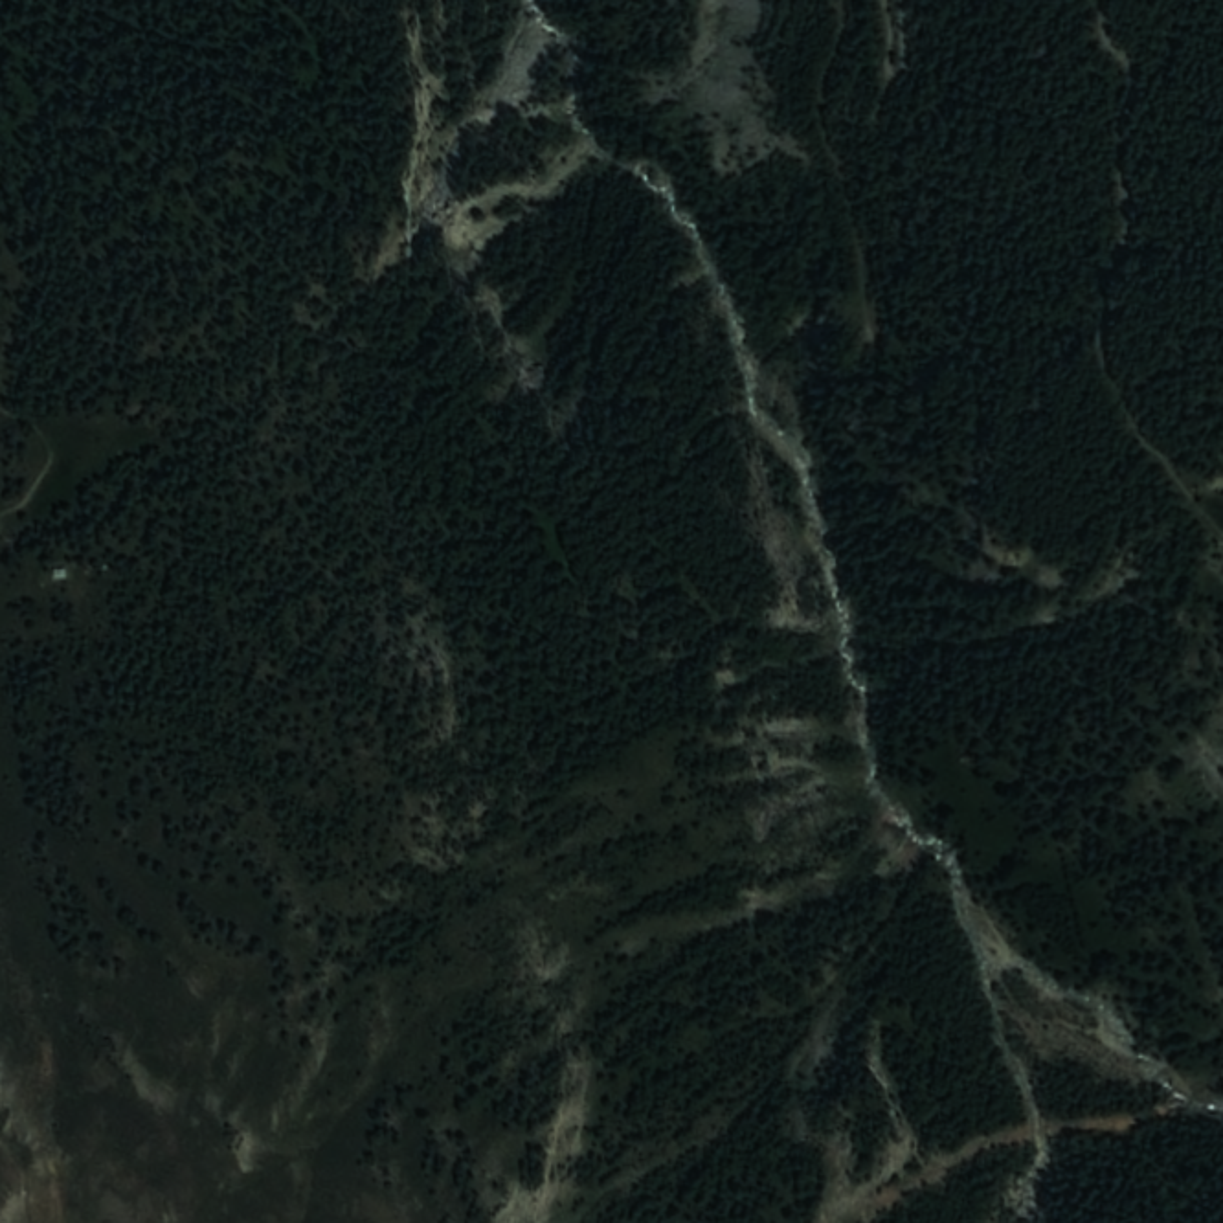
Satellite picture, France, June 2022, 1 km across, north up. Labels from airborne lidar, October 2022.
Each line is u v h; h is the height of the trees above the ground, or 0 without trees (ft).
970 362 51
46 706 42
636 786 0
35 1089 0
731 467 61
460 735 36
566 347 54
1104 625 57
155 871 26
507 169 74
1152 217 77
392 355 77
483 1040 60
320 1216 0
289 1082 0
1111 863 39
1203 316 47
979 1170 37
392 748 35
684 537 67
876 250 30
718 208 58
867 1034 32
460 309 42
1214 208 85
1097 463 84
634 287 87
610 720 71
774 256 86
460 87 92
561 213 68
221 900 0
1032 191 42
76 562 26
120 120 82
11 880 0
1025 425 44
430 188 38
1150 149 35
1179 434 68
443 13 23
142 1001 0
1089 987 52
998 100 77
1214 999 0
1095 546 62
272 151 83
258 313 74
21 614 27
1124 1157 26
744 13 0
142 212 66
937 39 74
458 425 85
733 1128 25
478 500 94
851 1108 46
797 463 0
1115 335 65
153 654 47
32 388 72
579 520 82
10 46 93
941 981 85
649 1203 64
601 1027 45
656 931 0
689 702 73
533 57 0
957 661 84
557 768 37
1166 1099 26
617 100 40
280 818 36
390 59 63
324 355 78
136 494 61
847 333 28
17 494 26
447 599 57
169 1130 0
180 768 28
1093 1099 43
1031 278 89
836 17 36
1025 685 58
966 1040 65
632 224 44
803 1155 44
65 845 0
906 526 63
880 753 21
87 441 0
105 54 91
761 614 37
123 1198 0
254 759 40
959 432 65
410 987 23
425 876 59
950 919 49
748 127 0
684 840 50
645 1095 67
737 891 27
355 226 55
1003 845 0
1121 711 56
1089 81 76
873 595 51
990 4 60
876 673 76
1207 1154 63
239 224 87
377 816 34
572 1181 37
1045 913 38
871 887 30
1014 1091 47
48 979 0
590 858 28
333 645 42
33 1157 0
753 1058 49
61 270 61
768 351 30
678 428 76
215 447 18
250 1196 0
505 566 77
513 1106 38
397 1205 0
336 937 68
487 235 0
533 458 87
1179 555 55
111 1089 0
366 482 64
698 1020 68
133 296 52
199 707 39
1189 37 80
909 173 82
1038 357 74
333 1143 0
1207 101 47
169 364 43
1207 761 0
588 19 76
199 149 62
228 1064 0
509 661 67
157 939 42
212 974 0
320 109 76
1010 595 84
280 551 44
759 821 36
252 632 52
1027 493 84
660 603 100
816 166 29
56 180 64
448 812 44
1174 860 47
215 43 44
